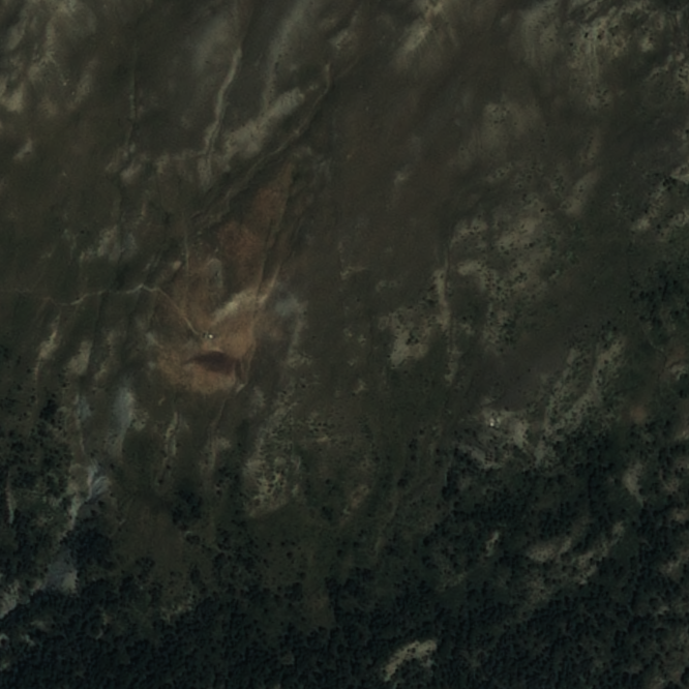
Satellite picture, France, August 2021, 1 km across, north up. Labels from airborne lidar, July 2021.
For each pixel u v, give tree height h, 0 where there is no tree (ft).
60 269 0
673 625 47
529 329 0
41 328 0
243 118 0
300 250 0
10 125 0
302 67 0
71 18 0
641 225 0
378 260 0
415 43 0
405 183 0
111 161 0
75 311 0
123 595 29
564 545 0
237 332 0
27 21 0
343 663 36
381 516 0
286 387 0
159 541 0
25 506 0
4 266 0
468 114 0
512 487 0
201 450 0
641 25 0
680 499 0
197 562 0
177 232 0
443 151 0
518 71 0
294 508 0
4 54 0
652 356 0
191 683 25
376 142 0
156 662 47
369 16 0
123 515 0
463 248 0
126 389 0
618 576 43
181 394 0
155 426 0
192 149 0
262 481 0
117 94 0
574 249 0
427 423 0
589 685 36
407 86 0
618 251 0
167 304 0
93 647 48
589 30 0
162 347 0
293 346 0
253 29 0
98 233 0
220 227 0
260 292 0
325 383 0
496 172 0
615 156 0
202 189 0
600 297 0
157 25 0
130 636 25
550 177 0
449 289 0
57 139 0
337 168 0
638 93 0
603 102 0
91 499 0
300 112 0
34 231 0
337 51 0
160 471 0
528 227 0
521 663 52
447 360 0
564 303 0
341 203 0
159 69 0
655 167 0
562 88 0
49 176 0
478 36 0
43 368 0
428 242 0
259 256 0
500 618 46
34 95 0
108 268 0
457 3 0
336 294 0
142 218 0
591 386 0
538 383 0
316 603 0
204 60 0
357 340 0
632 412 0
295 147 0
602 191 0
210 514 0
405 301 0
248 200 0
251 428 0
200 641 24
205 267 0
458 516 50
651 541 39
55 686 53
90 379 0
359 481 0
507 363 0
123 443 0
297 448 0
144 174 0
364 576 22
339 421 0
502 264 0
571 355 0
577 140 0
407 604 35
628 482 0
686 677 38
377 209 0
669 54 0
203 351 0
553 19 0
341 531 0
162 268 0
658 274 0
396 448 0
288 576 0
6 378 0
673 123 0
